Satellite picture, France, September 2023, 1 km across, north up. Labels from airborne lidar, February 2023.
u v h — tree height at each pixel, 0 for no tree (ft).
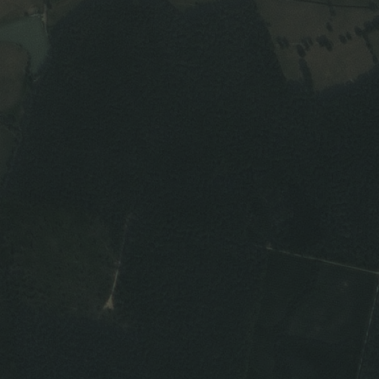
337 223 89
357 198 80
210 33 86
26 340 95
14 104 0
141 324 71
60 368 92
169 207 80
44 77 66
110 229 74
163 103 102
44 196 78
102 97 71
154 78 82
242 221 80
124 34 78
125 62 76
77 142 78
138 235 79
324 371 27
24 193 92
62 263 0
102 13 72
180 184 87
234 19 92
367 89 89
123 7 76
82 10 63
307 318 0
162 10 47
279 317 0
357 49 0
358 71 0
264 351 0
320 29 0
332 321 0
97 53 73
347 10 0
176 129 80
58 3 0
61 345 88
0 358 64
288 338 26
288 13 0
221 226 88
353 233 86
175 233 77
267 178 87
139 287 70
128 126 80
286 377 32
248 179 88
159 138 88
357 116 112
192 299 90
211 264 67
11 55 0
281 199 76
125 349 61
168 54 93
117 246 74
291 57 0
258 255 94
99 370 74
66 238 0
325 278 0
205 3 0
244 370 51
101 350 91
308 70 70
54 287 0
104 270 0
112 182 80
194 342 87
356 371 18
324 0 0
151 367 75
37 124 79
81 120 85
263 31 78
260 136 94
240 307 64
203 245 84
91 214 92
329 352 27
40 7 0
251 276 75
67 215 0
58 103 77
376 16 0
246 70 96
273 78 102
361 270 0
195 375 96
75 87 79
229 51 83
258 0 0
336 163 90
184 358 84
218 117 97
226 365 75
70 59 68
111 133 85
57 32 57
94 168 79
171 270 83
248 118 97
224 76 88
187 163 84
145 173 95
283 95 94
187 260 73
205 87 93
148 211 90
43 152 83
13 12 0
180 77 93
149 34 75
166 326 74
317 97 30
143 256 83
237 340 76
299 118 92
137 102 88
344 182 85
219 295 89
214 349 80
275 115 86
